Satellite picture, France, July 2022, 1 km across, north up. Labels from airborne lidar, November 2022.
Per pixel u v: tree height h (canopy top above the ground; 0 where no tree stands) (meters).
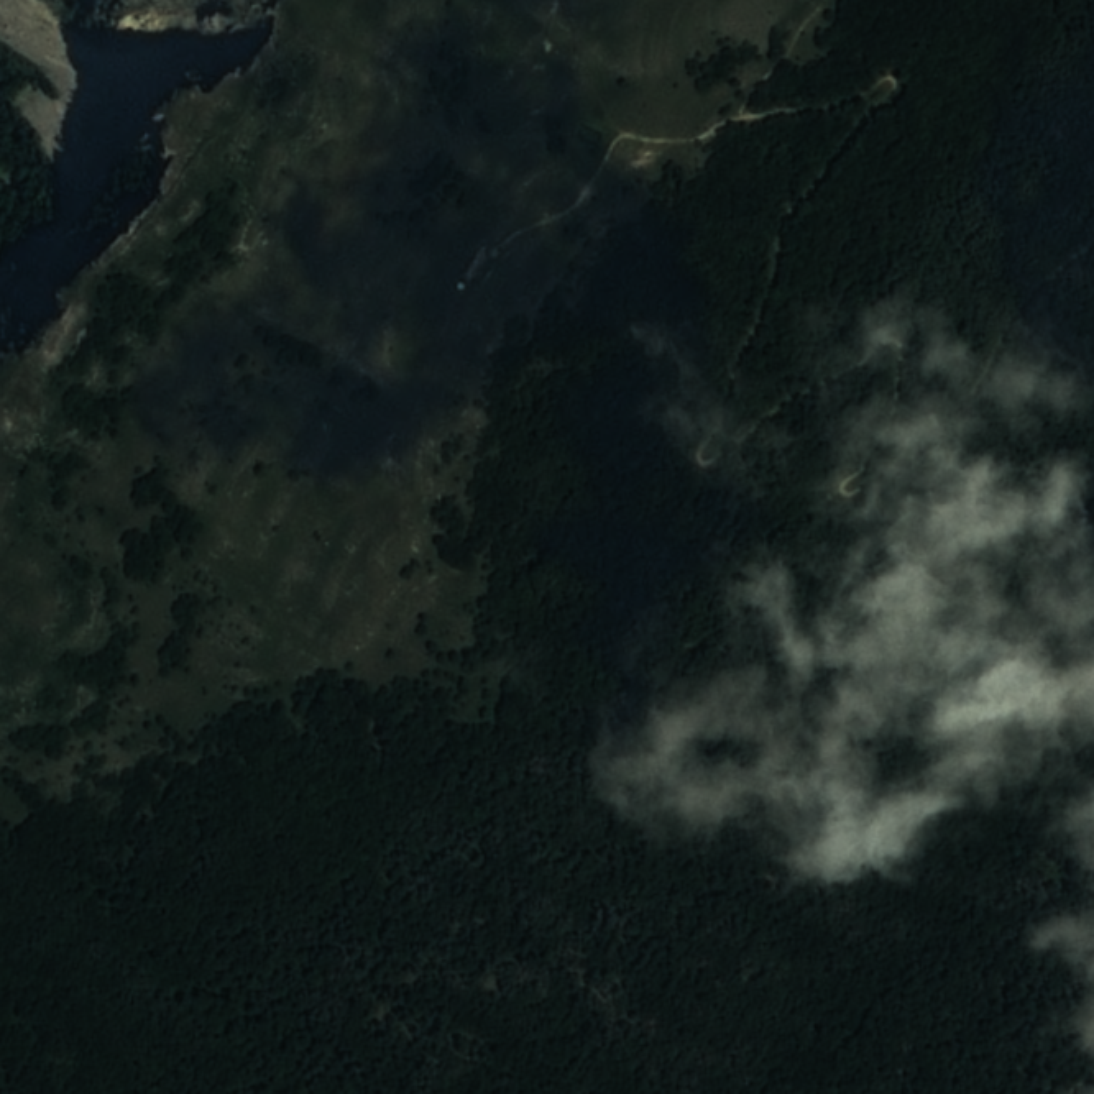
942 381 21
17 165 18
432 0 0
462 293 0
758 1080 21
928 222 20
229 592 0
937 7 20
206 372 0
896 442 15
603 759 19
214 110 0
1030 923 24
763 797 10
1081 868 27
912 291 8
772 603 21
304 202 0
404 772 15
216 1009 21
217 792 14
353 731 16
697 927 12
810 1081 16
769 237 15
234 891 18
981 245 16
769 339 15
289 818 13
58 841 19
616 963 16
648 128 0
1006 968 21
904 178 21
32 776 0
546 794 17
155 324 10
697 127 0
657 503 14
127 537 10
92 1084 18
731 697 16
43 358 0
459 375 0
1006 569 10
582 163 0
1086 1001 26
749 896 17
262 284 0
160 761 8
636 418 15
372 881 13
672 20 0
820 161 12
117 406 12
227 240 7
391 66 0
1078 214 19
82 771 7
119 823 7
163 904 18
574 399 13
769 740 17
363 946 23
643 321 14
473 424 0
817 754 16
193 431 0
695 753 19
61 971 15
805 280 19
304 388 0
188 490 0
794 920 24
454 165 7
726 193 14
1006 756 17
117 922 16
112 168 11
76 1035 15
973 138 23
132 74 0
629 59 0
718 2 0
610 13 0
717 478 20
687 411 18
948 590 19
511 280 0
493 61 0
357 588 0
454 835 24
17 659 0
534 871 20
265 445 0
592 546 16
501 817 18
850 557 12
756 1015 14
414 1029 15
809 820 12
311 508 0
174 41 0
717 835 14
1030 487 13
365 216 0
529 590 12
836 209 17
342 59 0
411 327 0
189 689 0
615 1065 19
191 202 0
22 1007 10
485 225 0
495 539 9
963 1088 25
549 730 13
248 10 0
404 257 0
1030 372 15
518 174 0
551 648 18
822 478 11
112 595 7
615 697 12
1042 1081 35
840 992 18
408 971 23
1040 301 15
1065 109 24
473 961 12
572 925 16
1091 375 10
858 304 24
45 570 0
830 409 17
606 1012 14
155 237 0
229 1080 20
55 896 19
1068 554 13
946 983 22
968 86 20
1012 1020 18
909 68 19
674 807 13
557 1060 17
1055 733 20
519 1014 14
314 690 12
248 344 0
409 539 0
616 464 16
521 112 0
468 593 0
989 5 20
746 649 16
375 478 0
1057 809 18
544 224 0
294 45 0
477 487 7
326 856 17
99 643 0
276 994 20
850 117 18
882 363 16
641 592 12
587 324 12
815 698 14
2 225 23
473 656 17
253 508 0
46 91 8
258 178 0
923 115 21
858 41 17
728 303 13
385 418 0
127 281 10
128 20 0
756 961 19
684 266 14
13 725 0
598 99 0
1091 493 17
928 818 14
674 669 11
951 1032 19
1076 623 12
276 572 0
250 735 11
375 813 15
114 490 0
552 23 0
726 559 12
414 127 0
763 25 0
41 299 0
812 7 0
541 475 12
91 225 12
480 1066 22
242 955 19
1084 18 16
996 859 16
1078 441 18
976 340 17
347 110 0
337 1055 8
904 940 17
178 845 16
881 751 23
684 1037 18
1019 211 17
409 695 8
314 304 0
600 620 21
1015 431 13
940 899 16
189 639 11
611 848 19
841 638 7
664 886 11
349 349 0
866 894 12
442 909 22
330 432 0
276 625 0
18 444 0
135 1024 17
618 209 0
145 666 0
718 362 17
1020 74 20
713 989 18
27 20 0
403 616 0
